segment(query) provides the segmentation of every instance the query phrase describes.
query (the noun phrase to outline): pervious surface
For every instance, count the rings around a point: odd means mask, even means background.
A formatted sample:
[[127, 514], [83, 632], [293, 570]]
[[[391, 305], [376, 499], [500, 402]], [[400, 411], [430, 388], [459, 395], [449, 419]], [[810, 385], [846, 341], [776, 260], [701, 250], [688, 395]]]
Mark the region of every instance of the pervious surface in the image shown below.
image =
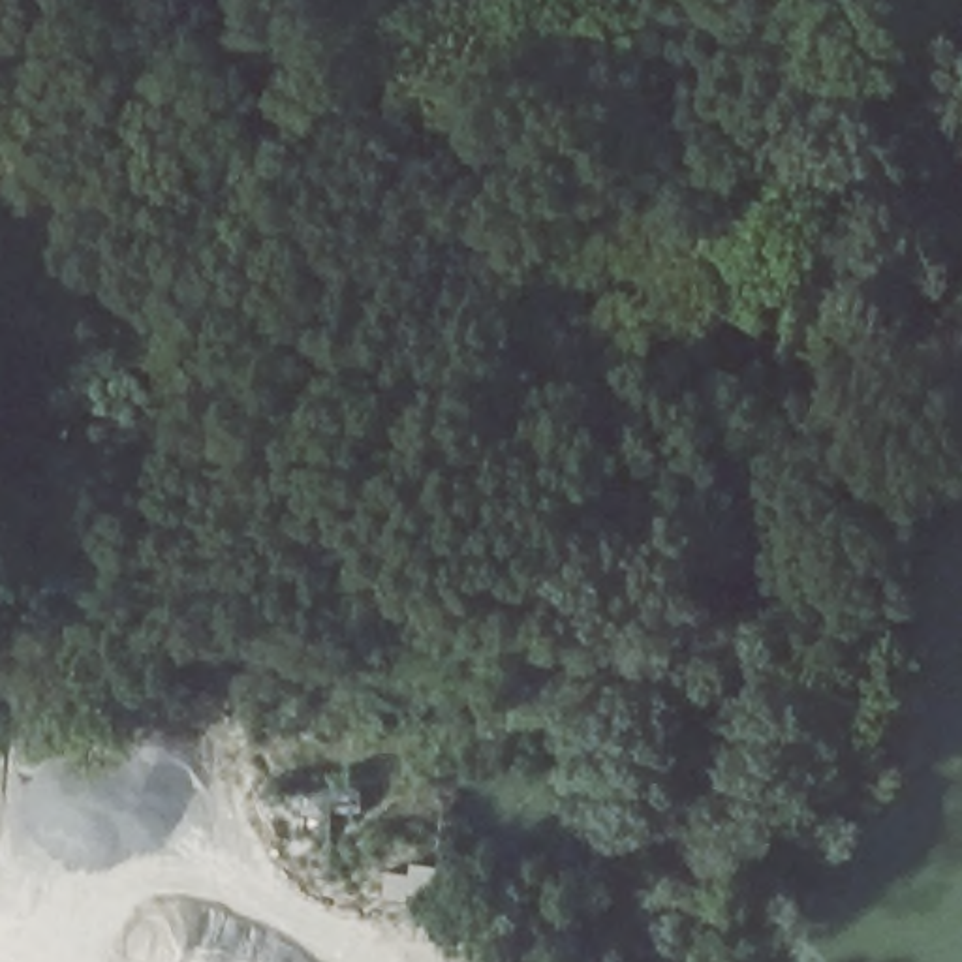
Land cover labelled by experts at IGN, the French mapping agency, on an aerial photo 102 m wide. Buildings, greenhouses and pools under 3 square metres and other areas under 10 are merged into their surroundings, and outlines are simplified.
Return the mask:
[[135, 744], [124, 767], [105, 770], [94, 782], [64, 774], [64, 763], [56, 755], [45, 763], [26, 763], [11, 748], [8, 755], [0, 755], [0, 962], [455, 962], [443, 958], [443, 951], [425, 936], [425, 928], [410, 921], [410, 902], [395, 902], [383, 894], [387, 876], [380, 868], [365, 868], [361, 891], [346, 891], [342, 883], [327, 879], [331, 838], [346, 830], [346, 815], [361, 808], [353, 793], [319, 789], [312, 797], [271, 800], [267, 789], [256, 782], [252, 744], [241, 722], [229, 722], [218, 722], [199, 740], [180, 740], [177, 748]]

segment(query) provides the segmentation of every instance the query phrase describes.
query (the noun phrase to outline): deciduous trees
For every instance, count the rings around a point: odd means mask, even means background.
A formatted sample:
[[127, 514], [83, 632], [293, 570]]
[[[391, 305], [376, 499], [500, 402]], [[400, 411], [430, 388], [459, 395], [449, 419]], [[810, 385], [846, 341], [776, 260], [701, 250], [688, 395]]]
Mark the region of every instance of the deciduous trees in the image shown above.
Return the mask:
[[545, 819], [526, 823], [500, 815], [485, 834], [485, 846], [458, 857], [451, 857], [447, 868], [432, 872], [432, 879], [410, 902], [410, 921], [425, 928], [425, 936], [443, 951], [443, 958], [455, 962], [748, 962], [774, 958], [782, 951], [793, 954], [793, 947], [808, 936], [793, 898], [785, 898], [785, 879], [763, 861], [770, 838], [789, 838], [804, 849], [819, 849], [834, 864], [849, 861], [853, 842], [868, 830], [868, 815], [879, 812], [898, 789], [898, 774], [879, 748], [891, 710], [902, 706], [909, 695], [921, 695], [917, 669], [932, 654], [954, 646], [962, 654], [962, 0], [0, 0], [0, 199], [15, 214], [26, 214], [30, 207], [49, 207], [45, 252], [26, 271], [0, 274], [0, 755], [8, 755], [11, 748], [26, 763], [45, 763], [56, 755], [64, 763], [64, 774], [94, 782], [105, 770], [124, 767], [135, 744], [177, 748], [180, 740], [199, 740], [218, 722], [229, 722], [233, 691], [267, 703], [286, 680], [308, 684], [319, 669], [338, 669], [338, 676], [365, 684], [368, 673], [380, 661], [387, 661], [395, 665], [391, 684], [421, 691], [451, 725], [481, 729], [481, 737], [492, 740], [504, 740], [515, 729], [537, 733], [552, 793], [552, 812]]

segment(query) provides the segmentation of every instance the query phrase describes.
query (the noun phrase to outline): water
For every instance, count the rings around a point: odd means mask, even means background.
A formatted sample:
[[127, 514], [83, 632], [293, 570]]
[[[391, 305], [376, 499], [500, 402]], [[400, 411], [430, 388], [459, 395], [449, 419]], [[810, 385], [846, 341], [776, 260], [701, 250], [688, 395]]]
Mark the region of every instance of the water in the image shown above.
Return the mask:
[[962, 654], [954, 646], [932, 654], [917, 669], [921, 695], [909, 695], [902, 706], [891, 710], [879, 748], [898, 774], [898, 789], [879, 812], [868, 815], [868, 830], [853, 842], [849, 861], [834, 864], [819, 849], [804, 849], [789, 838], [770, 838], [763, 861], [785, 879], [785, 898], [793, 898], [808, 936], [793, 947], [793, 954], [782, 951], [774, 958], [748, 962], [962, 962]]
[[500, 815], [526, 823], [545, 819], [552, 812], [552, 793], [530, 793], [519, 785], [462, 789], [447, 804], [443, 838], [458, 857], [485, 846], [485, 834]]

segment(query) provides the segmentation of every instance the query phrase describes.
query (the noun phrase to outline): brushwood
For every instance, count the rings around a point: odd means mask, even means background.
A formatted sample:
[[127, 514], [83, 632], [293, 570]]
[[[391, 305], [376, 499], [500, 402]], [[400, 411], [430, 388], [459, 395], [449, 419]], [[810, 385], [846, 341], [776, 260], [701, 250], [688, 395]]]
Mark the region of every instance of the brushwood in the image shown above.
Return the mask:
[[312, 797], [319, 789], [353, 793], [353, 763], [334, 759], [293, 767], [278, 774], [278, 782], [267, 789], [271, 800]]
[[372, 808], [361, 808], [346, 815], [346, 830], [331, 838], [327, 879], [342, 883], [346, 891], [361, 891], [365, 868], [380, 868], [387, 876], [406, 876], [410, 868], [432, 872], [447, 868], [451, 857], [458, 857], [443, 838], [447, 804], [462, 789], [519, 785], [530, 793], [552, 793], [537, 733], [515, 729], [504, 740], [492, 740], [481, 737], [481, 729], [451, 725], [421, 691], [391, 684], [395, 665], [387, 661], [380, 661], [368, 673], [365, 684], [338, 676], [338, 669], [319, 669], [308, 684], [286, 680], [267, 703], [233, 691], [229, 722], [241, 722], [252, 744], [297, 733], [312, 733], [319, 744], [342, 744], [346, 733], [380, 718], [383, 729], [376, 733], [372, 748], [376, 755], [395, 755], [398, 770], [391, 774], [387, 793]]
[[26, 271], [45, 252], [49, 207], [30, 207], [26, 214], [15, 214], [0, 199], [0, 274]]

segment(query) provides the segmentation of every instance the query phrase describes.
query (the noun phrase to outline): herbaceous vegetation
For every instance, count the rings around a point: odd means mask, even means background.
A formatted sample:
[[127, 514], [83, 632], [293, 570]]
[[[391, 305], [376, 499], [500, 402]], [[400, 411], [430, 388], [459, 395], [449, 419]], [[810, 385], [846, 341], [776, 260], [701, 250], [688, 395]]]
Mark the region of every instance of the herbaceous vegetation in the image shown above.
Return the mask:
[[372, 748], [376, 733], [383, 729], [380, 718], [346, 733], [342, 744], [319, 744], [312, 733], [297, 733], [252, 744], [256, 782], [267, 789], [278, 782], [278, 774], [293, 767], [334, 759], [353, 763], [353, 793], [361, 808], [372, 808], [387, 793], [391, 774], [398, 770], [395, 755], [376, 755]]

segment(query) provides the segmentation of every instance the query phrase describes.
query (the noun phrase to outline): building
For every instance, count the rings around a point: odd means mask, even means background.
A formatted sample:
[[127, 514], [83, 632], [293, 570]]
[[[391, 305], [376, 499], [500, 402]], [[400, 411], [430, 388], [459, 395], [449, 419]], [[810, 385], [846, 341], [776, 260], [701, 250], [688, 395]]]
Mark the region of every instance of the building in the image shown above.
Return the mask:
[[432, 879], [432, 872], [410, 868], [406, 876], [387, 876], [383, 894], [395, 902], [410, 902]]

